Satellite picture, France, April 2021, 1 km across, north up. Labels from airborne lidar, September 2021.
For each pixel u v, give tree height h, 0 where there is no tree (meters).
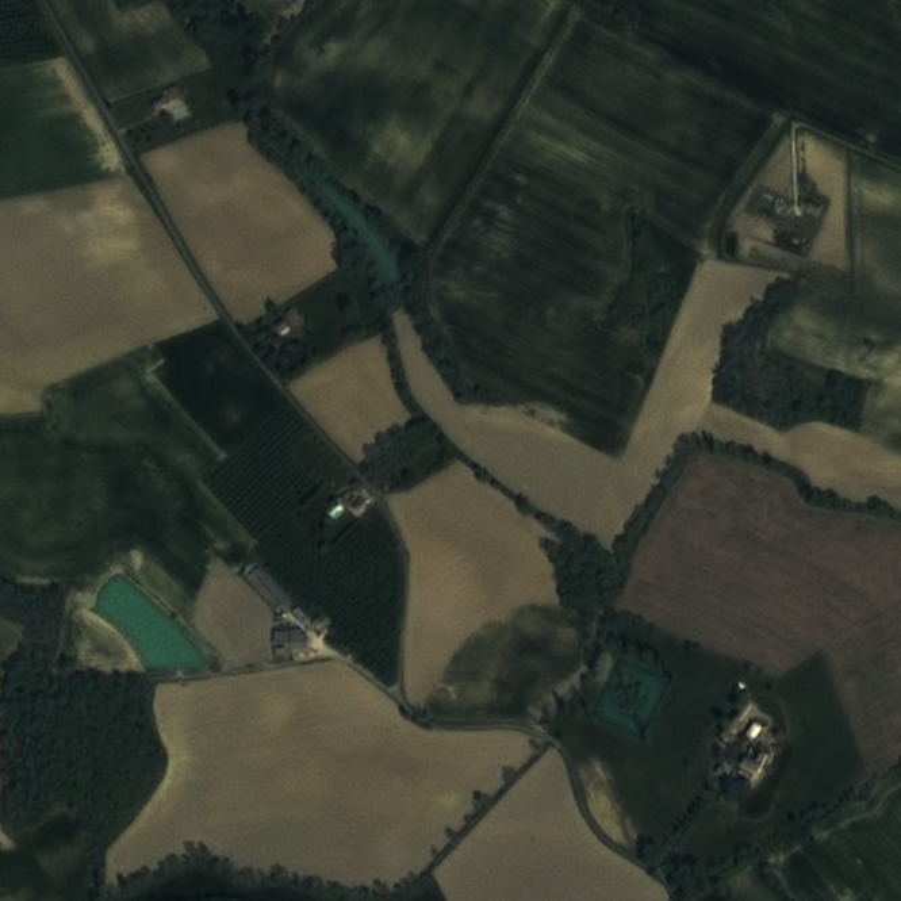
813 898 0
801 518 0
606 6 12
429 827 0
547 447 0
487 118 0
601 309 0
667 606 0
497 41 0
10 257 0
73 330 0
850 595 0
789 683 0
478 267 0
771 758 16
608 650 13
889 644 0
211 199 0
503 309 0
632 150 0
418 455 14
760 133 0
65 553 0
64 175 0
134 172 0
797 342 0
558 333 0
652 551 0
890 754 0
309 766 0
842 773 0
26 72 0
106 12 0
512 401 0
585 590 16
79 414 0
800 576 0
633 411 0
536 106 0
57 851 0
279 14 0
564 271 0
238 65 0
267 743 0
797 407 16
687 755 0
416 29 0
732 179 0
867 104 0
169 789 0
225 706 0
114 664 0
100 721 23
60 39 0
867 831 0
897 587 0
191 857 19
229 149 0
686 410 0
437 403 0
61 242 0
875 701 0
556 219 0
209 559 0
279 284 0
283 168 12
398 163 0
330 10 0
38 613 11
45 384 0
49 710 25
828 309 0
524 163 0
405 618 0
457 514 0
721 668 0
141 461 0
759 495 0
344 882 0
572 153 0
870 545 0
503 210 0
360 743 0
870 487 0
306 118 0
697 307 0
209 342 0
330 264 0
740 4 0
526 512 21
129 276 0
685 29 0
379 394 0
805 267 0
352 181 0
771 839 8
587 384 0
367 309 0
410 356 0
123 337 0
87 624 0
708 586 0
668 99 0
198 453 0
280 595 0
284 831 0
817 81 0
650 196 0
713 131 0
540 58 0
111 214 0
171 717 0
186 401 0
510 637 0
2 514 0
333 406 0
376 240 0
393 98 0
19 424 0
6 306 0
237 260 0
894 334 0
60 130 0
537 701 0
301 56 0
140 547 0
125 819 24
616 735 0
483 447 0
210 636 0
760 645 0
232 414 0
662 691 0
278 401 0
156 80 0
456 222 0
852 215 0
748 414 21
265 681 0
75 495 0
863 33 0
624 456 0
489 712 0
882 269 0
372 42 0
